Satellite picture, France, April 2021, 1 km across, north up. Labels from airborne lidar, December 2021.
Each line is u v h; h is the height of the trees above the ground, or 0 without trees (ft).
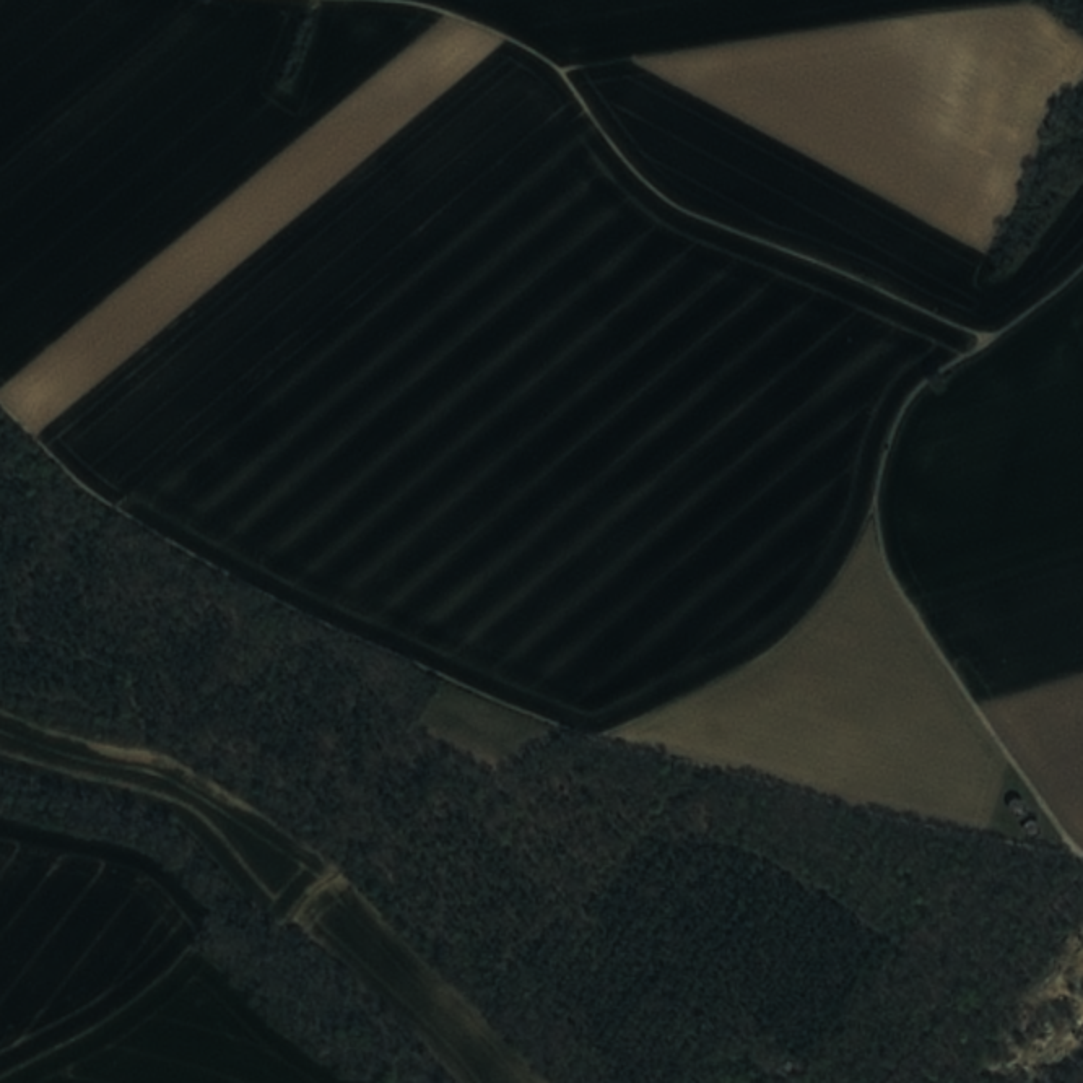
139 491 0
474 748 0
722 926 42
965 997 73
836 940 50
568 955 38
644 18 0
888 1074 35
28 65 0
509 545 0
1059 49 0
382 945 0
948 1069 74
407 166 0
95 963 0
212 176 0
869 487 0
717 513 0
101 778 0
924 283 0
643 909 42
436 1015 0
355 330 0
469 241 0
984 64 0
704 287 0
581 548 0
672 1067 42
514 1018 87
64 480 52
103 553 58
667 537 0
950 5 0
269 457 0
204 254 0
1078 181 58
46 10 0
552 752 56
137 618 64
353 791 69
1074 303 0
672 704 0
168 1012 0
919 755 0
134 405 0
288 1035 49
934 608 0
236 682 56
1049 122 31
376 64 0
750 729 0
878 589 0
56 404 0
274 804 65
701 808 56
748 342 0
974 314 0
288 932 26
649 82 0
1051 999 0
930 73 0
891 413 0
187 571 42
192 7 0
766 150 0
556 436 0
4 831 0
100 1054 0
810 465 0
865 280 40
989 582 0
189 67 0
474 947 65
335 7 0
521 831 54
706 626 0
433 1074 27
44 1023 0
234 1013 0
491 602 0
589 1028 43
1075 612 0
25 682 54
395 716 64
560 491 0
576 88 0
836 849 56
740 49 0
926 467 0
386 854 66
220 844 0
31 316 0
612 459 0
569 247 0
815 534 0
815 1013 50
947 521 0
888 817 57
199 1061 0
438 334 0
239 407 0
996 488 0
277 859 0
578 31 0
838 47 0
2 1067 0
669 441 0
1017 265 76
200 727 64
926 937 48
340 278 0
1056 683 0
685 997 36
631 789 59
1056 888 76
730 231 0
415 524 0
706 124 0
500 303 0
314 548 0
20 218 0
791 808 56
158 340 0
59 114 0
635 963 40
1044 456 0
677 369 0
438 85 0
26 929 0
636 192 0
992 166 0
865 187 0
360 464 0
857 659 0
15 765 0
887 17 0
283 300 0
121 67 0
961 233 0
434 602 0
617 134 0
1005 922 72
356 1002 50
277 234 0
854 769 0
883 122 0
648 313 0
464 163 0
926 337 0
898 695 0
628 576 0
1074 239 0
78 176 0
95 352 0
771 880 52
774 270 0
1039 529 0
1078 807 0
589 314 0
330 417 0
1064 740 0
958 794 0
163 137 0
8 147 0
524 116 0
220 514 0
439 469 0
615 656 0
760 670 0
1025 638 0
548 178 0
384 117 0
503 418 0
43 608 43
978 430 0
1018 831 0
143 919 0
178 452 0
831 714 0
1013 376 0
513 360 0
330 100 0
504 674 0
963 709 0
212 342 0
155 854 58
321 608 0
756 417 0
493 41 0
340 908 0
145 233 0
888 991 50
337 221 0
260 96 0
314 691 53
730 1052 49
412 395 0
